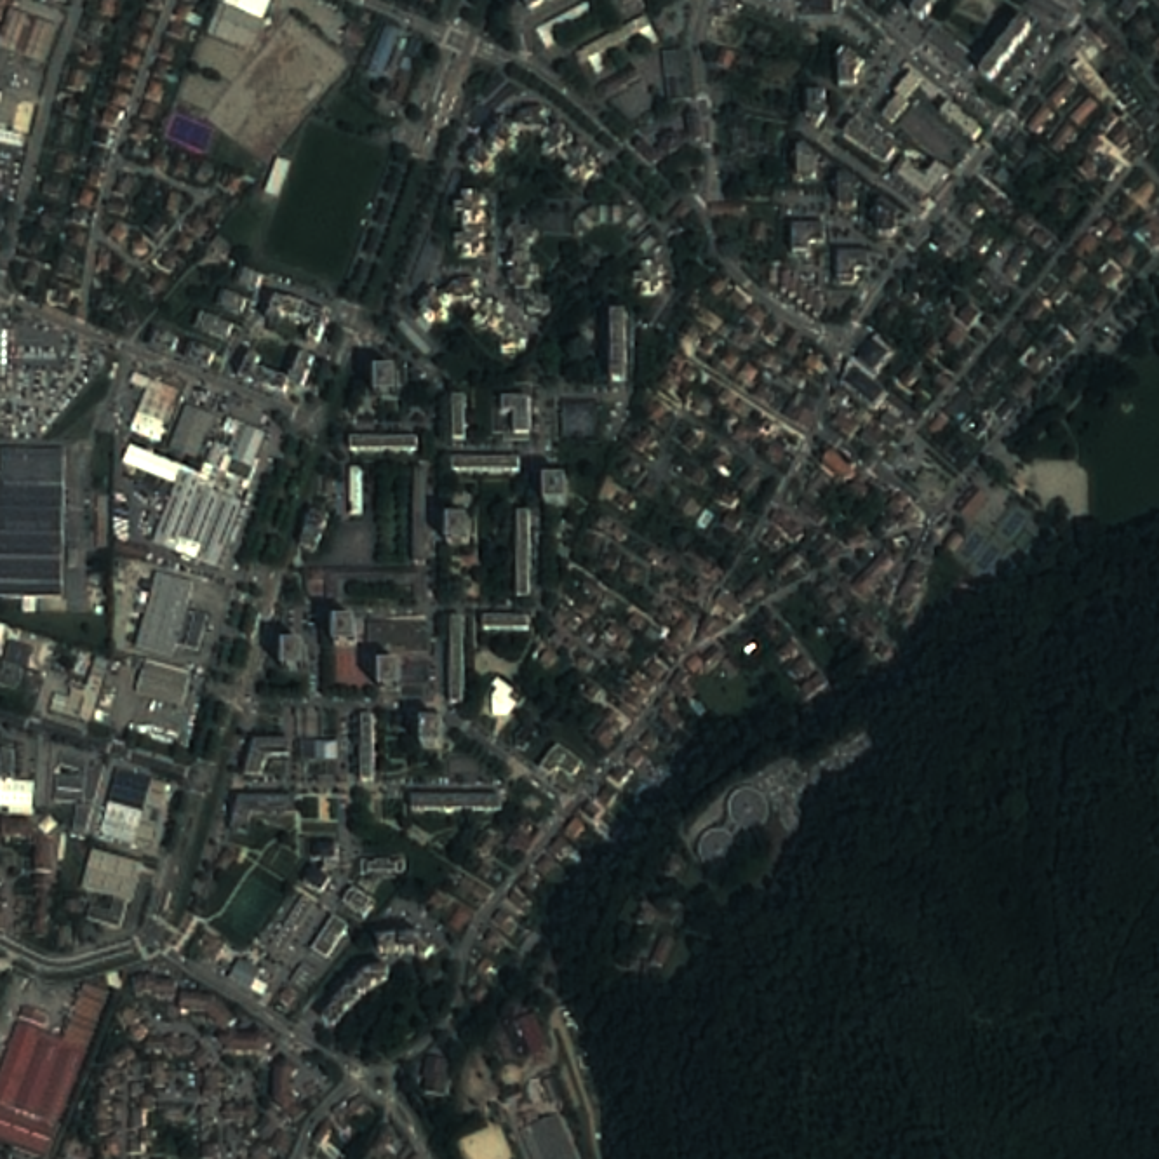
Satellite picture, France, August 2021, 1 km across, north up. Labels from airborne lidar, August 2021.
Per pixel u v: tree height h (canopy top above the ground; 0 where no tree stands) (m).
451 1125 17
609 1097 10
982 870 17
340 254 0
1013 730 23
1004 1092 9
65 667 9
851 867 19
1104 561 27
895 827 16
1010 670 21
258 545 13
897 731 16
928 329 6
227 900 0
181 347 0
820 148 11
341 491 0
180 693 0
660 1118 18
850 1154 6
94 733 0
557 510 15
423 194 7
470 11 12
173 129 0
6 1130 0
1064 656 23
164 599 0
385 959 0
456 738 14
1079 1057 22
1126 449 0
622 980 12
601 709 6
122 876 0
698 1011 20
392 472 15
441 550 15
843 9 0
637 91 0
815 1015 9
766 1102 14
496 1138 0
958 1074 16
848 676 19
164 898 0
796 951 24
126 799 0
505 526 17
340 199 0
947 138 0
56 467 0
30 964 0
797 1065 9
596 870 20
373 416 8
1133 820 11
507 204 8
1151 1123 21
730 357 0
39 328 0
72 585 0
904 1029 19
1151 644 15
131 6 6
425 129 0
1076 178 6
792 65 0
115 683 0
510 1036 0
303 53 0
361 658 0
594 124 10
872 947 12
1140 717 22
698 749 19
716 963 19
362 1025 24
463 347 22
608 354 0
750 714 6
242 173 8
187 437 0
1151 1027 19
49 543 0
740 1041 18
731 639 6
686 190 14
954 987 14
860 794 16
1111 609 20
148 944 0
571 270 8
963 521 9
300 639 0
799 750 19
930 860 12
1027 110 6
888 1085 15
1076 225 8
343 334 18
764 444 6
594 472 19
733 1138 10
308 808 13
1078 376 14
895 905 18
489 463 0
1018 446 13
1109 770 17
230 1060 8
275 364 0
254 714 0
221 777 0
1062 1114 20
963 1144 18
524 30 0
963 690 12
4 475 0
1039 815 18
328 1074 13
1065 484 0
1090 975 16
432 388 16
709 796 11
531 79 13
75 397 0
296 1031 0
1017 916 14
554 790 0
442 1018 18
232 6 0
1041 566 23
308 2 0
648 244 0
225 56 0
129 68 6
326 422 0
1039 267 6
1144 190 0
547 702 19
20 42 0
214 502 0
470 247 0
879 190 10
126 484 0
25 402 0
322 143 0
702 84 0
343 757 0
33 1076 0
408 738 12
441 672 0
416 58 6
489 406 0
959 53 0
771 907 17
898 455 0
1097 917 9
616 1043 18
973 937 15
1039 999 17
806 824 12
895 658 8
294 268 0
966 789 18
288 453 13
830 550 0
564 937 15
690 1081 17
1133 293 11
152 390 0
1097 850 9
